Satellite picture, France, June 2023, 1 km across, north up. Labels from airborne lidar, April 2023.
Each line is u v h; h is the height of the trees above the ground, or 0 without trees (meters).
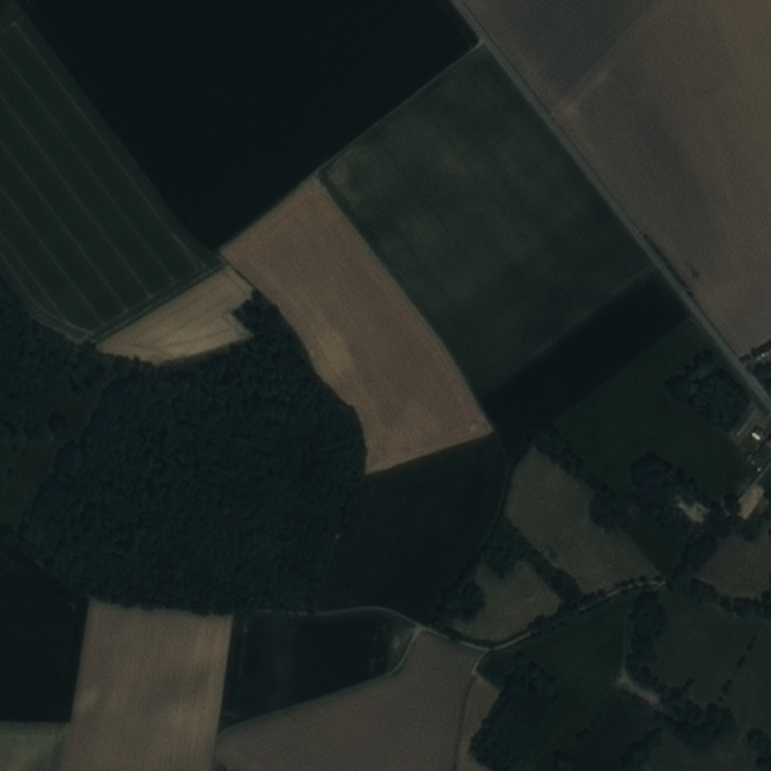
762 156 0
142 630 0
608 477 0
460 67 0
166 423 26
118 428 24
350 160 0
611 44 0
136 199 0
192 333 0
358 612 0
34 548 17
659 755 0
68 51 0
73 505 25
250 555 24
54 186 0
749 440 0
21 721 0
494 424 0
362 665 0
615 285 0
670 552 0
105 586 19
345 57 0
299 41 0
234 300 0
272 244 0
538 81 0
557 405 0
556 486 0
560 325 0
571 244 0
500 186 0
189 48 0
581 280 0
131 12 0
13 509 0
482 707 0
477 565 11
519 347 0
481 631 0
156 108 0
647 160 0
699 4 0
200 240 0
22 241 0
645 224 0
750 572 0
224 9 0
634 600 0
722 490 0
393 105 0
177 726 0
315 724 0
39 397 23
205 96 0
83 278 0
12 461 0
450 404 0
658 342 0
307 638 0
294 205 0
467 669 0
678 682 0
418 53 0
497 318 0
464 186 0
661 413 0
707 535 25
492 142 0
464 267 0
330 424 17
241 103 0
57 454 0
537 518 0
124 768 0
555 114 0
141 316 0
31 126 0
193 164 0
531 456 0
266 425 29
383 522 0
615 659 0
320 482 14
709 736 24
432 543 0
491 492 0
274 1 0
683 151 0
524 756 26
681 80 0
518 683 20
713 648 0
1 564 0
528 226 0
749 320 0
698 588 19
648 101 0
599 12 0
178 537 26
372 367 0
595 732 0
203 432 27
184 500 28
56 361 23
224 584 26
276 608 15
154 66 0
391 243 0
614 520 26
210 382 15
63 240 0
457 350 0
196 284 0
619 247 0
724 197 0
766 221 0
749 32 0
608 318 0
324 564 12
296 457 22
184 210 0
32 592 0
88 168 0
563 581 22
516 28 0
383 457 0
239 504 25
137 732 0
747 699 0
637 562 0
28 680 0
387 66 0
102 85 0
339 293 0
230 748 0
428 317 0
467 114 0
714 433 0
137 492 27
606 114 0
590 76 0
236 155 0
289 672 0
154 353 0
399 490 0
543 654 0
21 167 0
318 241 0
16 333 24
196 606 20
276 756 0
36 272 0
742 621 0
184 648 0
